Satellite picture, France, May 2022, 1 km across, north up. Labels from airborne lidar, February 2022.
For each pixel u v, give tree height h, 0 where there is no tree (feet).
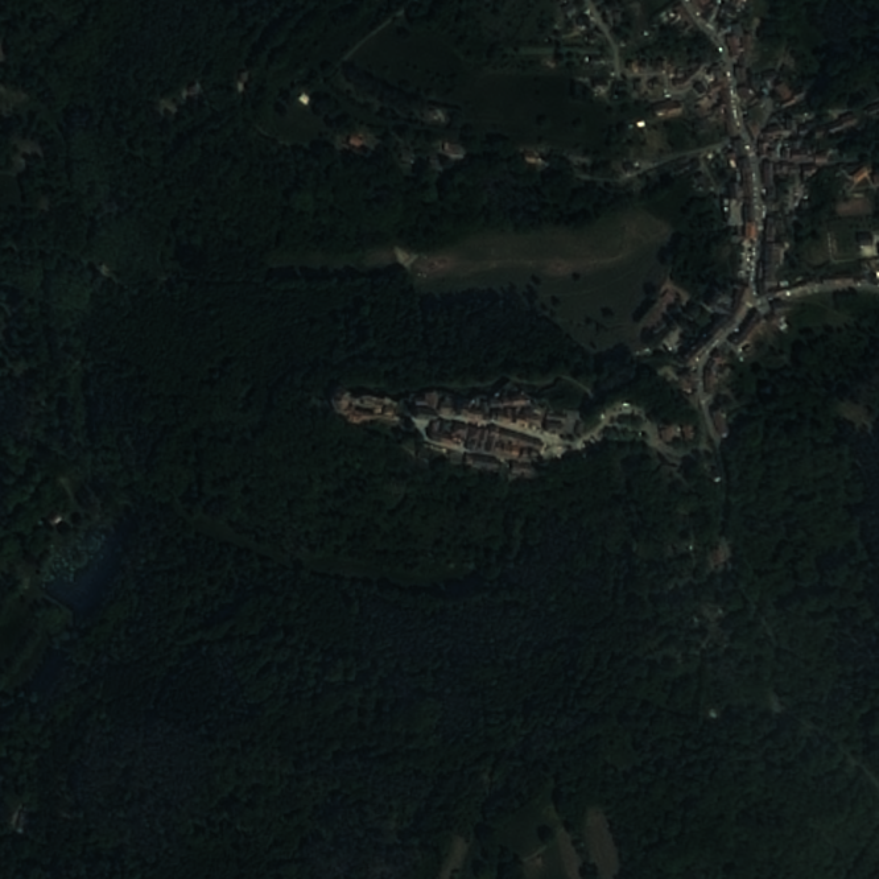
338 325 103
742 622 66
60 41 111
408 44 0
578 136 0
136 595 31
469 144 56
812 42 0
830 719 92
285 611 44
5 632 0
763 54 0
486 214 81
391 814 28
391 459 73
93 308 51
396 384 77
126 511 0
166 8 48
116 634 49
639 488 75
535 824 0
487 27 0
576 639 94
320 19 64
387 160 52
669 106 0
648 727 59
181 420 86
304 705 55
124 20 34
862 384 105
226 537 0
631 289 0
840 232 0
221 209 62
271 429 81
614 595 73
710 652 28
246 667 90
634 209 38
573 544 92
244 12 79
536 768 52
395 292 60
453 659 74
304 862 63
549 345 48
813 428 101
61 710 56
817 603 97
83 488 0
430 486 89
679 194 0
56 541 0
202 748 79
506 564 84
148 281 53
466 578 0
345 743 72
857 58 65
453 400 0
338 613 55
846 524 115
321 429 86
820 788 69
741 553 51
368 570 0
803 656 63
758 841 93
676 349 0
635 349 0
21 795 92
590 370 40
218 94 54
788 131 0
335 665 100
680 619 29
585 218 83
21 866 53
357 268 0
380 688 111
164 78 48
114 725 54
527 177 70
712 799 86
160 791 76
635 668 48
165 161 85
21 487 91
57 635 75
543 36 0
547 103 0
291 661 82
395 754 86
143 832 96
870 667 66
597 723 71
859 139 35
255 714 66
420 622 64
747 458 94
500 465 19
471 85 0
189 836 102
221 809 48
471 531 36
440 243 45
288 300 45
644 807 56
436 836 72
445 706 84
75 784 85
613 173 19
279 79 0
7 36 81
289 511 94
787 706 73
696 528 37
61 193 57
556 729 53
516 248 0
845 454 76
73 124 66
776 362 29
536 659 87
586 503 82
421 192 98
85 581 0
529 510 80
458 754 74
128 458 86
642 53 36
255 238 33
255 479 89
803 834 93
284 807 54
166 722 78
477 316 72
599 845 0
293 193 94
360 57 0
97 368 49
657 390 67
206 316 52
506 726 48
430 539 0
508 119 0
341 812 61
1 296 62
